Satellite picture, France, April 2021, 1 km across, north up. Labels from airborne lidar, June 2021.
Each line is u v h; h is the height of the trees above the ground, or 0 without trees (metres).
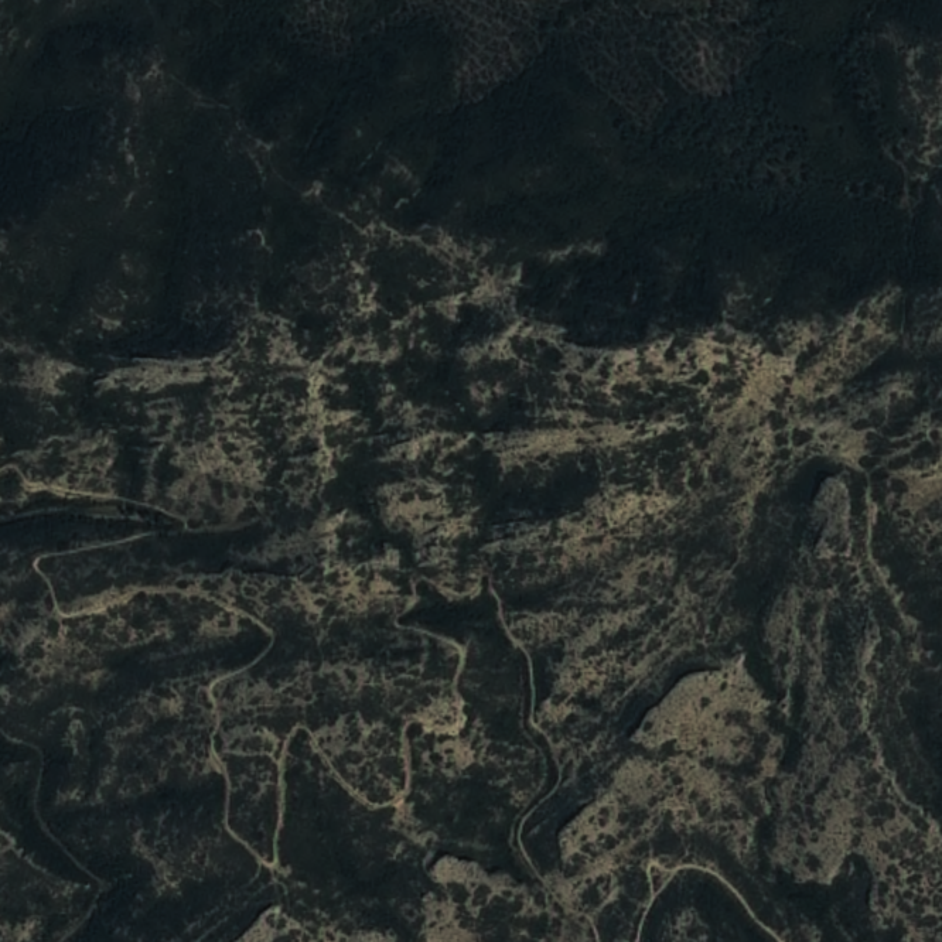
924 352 0
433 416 0
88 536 0
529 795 0
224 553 0
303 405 0
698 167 6
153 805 0
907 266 6
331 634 0
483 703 0
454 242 0
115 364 0
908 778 0
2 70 0
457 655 0
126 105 0
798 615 0
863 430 0
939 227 0
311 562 0
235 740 0
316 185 0
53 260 0
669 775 0
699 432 0
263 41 6
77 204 0
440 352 0
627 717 0
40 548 0
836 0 0
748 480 0
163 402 0
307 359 0
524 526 0
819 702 0
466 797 0
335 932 0
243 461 0
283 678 0
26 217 0
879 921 0
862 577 0
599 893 0
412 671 0
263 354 0
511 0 7
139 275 0
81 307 0
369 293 0
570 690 0
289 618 0
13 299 0
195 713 0
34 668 0
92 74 0
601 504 0
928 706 0
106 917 6
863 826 0
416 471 0
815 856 0
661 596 0
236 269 0
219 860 0
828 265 6
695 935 0
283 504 0
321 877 0
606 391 0
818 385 0
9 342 0
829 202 5
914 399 0
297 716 0
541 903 0
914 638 0
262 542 0
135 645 0
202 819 0
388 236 0
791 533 0
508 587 0
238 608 0
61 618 0
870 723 0
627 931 0
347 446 0
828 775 0
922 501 0
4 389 0
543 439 0
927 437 0
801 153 11
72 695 0
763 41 7
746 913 0
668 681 0
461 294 0
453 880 0
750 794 0
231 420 0
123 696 0
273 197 0
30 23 0
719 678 0
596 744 0
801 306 0
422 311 0
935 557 0
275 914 0
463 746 0
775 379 0
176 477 0
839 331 0
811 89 0
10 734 0
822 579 0
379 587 0
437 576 0
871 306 0
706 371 0
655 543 0
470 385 0
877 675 0
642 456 0
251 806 0
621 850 0
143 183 0
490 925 0
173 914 0
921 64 0
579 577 0
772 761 0
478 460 0
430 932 0
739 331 0
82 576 0
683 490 0
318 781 0
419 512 0
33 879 0
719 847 0
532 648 0
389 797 0
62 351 0
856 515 0
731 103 12
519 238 0
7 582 0
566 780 0
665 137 10
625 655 0
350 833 0
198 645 0
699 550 0
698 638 0
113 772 0
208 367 0
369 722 0
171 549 0
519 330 0
